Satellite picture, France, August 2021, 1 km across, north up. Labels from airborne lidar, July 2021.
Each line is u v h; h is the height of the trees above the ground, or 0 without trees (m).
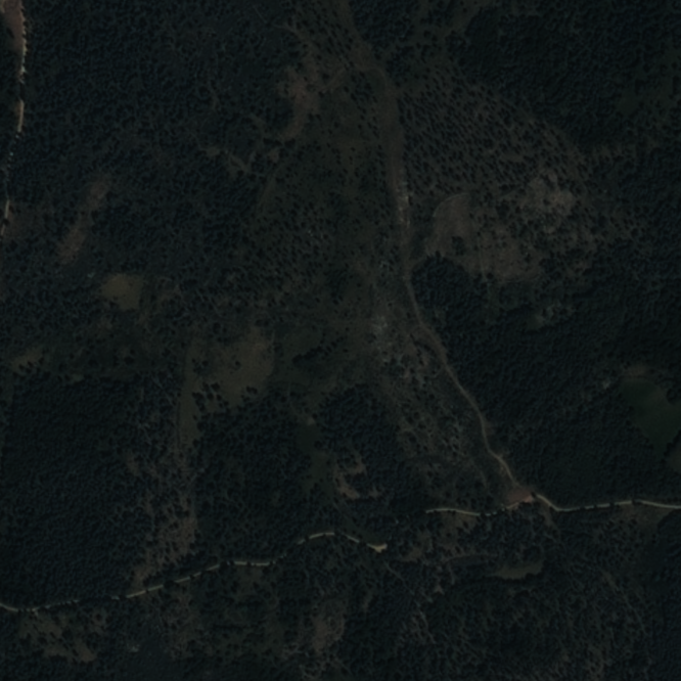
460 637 11
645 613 12
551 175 0
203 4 13
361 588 9
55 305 14
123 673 12
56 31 15
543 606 16
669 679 17
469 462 0
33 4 14
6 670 13
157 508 12
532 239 7
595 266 9
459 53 13
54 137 14
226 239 12
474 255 0
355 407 17
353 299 0
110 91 7
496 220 9
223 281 13
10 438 13
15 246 15
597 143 14
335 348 14
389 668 15
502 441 10
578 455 13
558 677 13
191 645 10
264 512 11
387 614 13
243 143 0
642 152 9
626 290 14
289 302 0
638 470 8
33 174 17
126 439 11
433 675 13
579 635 14
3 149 15
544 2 9
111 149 9
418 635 9
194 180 8
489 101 12
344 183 8
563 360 12
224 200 14
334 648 8
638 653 9
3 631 18
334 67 0
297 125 0
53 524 15
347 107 0
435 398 10
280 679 18
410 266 0
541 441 15
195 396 12
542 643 13
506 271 0
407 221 0
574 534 14
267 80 9
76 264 0
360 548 7
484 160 9
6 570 15
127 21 9
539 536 13
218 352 0
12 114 10
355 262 0
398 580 8
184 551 0
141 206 12
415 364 0
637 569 0
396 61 12
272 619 0
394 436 13
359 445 10
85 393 20
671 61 0
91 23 8
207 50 0
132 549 15
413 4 14
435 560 12
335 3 0
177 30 13
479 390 13
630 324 14
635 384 0
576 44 11
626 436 13
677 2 12
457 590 18
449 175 10
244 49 11
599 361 11
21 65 0
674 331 12
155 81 13
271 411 10
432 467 13
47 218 10
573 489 14
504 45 17
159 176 10
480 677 14
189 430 0
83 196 0
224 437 11
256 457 13
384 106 0
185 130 11
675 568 13
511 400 12
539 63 14
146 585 12
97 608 12
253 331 0
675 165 14
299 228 10
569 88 17
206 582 13
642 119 9
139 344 0
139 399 10
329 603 0
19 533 12
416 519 14
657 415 0
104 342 6
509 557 11
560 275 12
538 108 12
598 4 18
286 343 0
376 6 8
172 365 6
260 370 0
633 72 10
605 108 16
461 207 0
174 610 0
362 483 15
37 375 7
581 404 7
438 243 0
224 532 15
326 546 8
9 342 14
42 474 7
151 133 11
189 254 0
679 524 14
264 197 0
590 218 8
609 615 13
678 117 13
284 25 0
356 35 0
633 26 24
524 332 9
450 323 9
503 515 10
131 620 10
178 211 11
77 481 15
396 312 0
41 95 13
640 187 15
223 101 12
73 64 14
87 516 10
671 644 14
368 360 0
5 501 12
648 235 11
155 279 0
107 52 15
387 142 0
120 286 0
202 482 15
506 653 18
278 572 8
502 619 17
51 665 7
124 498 15
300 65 14
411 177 13
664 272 15
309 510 6
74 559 19
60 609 13
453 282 7
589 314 11
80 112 8
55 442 16
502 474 0
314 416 7
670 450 13
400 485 13
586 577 15
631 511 0
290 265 15
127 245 12
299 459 13
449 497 11
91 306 12
